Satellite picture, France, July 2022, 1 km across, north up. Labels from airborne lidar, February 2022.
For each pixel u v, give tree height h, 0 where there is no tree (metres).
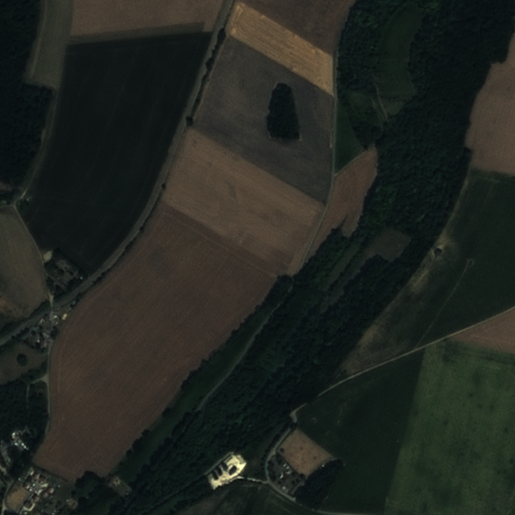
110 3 0
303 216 0
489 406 0
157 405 0
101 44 0
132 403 0
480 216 0
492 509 0
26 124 21
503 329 0
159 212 0
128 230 0
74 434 0
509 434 0
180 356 0
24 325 0
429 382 0
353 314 18
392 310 0
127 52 0
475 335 0
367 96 8
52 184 0
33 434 11
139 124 0
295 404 11
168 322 0
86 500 13
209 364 18
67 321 0
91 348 0
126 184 0
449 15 20
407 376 0
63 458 0
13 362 0
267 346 8
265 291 0
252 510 0
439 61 21
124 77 0
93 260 0
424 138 16
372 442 0
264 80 0
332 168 0
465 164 17
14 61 18
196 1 0
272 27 0
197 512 0
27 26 17
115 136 0
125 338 0
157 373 0
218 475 9
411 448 0
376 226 14
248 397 6
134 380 0
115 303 0
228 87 0
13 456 12
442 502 0
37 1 18
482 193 0
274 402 23
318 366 20
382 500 0
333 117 0
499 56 18
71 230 0
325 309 0
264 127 0
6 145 19
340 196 0
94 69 0
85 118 0
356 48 16
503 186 0
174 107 0
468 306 0
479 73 21
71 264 9
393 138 19
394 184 13
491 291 0
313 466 0
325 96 0
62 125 0
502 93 0
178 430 12
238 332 9
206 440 8
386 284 22
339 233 7
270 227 0
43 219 0
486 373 0
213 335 0
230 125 0
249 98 0
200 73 0
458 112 21
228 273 0
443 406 0
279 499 0
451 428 0
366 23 17
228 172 0
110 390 0
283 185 0
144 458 0
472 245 0
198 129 0
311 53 0
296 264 0
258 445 9
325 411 0
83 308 0
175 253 0
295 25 0
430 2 14
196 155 0
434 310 0
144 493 19
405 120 17
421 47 14
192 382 13
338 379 0
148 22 0
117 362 0
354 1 0
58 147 0
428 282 0
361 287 12
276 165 0
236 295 0
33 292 0
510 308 0
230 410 7
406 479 0
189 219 0
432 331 0
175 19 0
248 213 0
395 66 0
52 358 0
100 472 0
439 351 0
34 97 9
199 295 0
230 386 11
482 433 0
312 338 14
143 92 0
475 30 23
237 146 0
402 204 16
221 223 0
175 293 0
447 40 18
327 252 10
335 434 0
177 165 0
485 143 0
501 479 0
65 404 0
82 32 0
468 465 0
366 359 0
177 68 0
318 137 0
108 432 0
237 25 0
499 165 0
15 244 0
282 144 0
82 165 0
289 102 23
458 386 0
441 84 22
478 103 0
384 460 0
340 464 11
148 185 0
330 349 22
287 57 0
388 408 0
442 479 0
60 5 0
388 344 0
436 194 16
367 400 0
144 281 0
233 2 0
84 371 0
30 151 20
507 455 0
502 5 20
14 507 0
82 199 0
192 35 0
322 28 0
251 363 8
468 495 0
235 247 0
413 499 0
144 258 0
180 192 0
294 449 0
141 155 0
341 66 6
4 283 0
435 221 18
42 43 0
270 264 0
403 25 0
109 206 0
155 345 0
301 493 16
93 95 0
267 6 0
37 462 0
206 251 0
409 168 8
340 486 0
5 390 12
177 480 11
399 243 0
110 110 0
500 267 0
